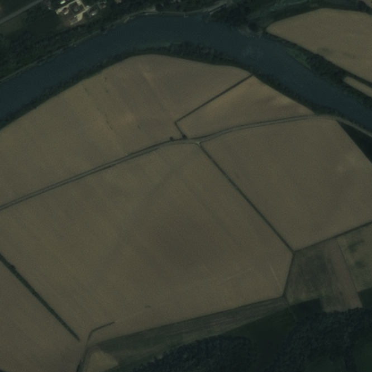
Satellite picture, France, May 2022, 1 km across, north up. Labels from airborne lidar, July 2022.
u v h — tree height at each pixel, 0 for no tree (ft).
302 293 0
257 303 0
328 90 0
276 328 0
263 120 0
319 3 0
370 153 0
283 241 0
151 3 41
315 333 84
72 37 48
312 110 0
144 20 0
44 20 0
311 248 0
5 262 25
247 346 77
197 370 78
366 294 0
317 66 34
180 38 0
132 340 0
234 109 0
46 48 66
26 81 0
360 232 0
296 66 0
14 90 0
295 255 0
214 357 90
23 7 0
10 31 0
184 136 30
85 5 0
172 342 0
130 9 73
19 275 24
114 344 0
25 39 64
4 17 0
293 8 0
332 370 0
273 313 0
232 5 0
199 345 78
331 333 63
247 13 49
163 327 0
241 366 89
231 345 85
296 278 0
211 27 0
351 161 0
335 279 0
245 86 0
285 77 0
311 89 0
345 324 56
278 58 0
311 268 0
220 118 0
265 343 0
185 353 91
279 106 0
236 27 60
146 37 0
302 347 83
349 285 0
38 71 0
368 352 0
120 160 0
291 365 72
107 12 0
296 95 32
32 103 50
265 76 19
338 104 0
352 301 0
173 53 22
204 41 0
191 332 0
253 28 93
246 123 0
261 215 0
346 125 0
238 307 0
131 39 0
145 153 0
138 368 0
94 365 0
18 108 0
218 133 0
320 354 66
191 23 0
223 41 0
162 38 0
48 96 31
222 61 44
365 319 91
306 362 82
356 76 31
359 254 0
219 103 0
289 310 0
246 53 0
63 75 0
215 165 0
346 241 0
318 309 0
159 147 0
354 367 64
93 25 39
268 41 0
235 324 0
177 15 0
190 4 41
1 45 33
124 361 0
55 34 37
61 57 0
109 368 0
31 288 18
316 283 0
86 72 28
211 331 0
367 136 0
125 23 0
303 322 20
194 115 0
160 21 0
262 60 0
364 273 0
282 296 0
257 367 0
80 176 0
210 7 0
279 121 0
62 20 0
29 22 20
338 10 0
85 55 0
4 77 19
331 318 84
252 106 0
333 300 0
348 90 44
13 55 54
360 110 0
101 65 26
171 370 84
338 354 79
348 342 75
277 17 0
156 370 102
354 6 0
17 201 0
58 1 33
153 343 0
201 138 0
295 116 0
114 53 0
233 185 0
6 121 29
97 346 0
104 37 0
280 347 0
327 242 0
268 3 0
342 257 0
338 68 25
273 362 0
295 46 39
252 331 0
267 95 0
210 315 0
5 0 0
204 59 54
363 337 47
